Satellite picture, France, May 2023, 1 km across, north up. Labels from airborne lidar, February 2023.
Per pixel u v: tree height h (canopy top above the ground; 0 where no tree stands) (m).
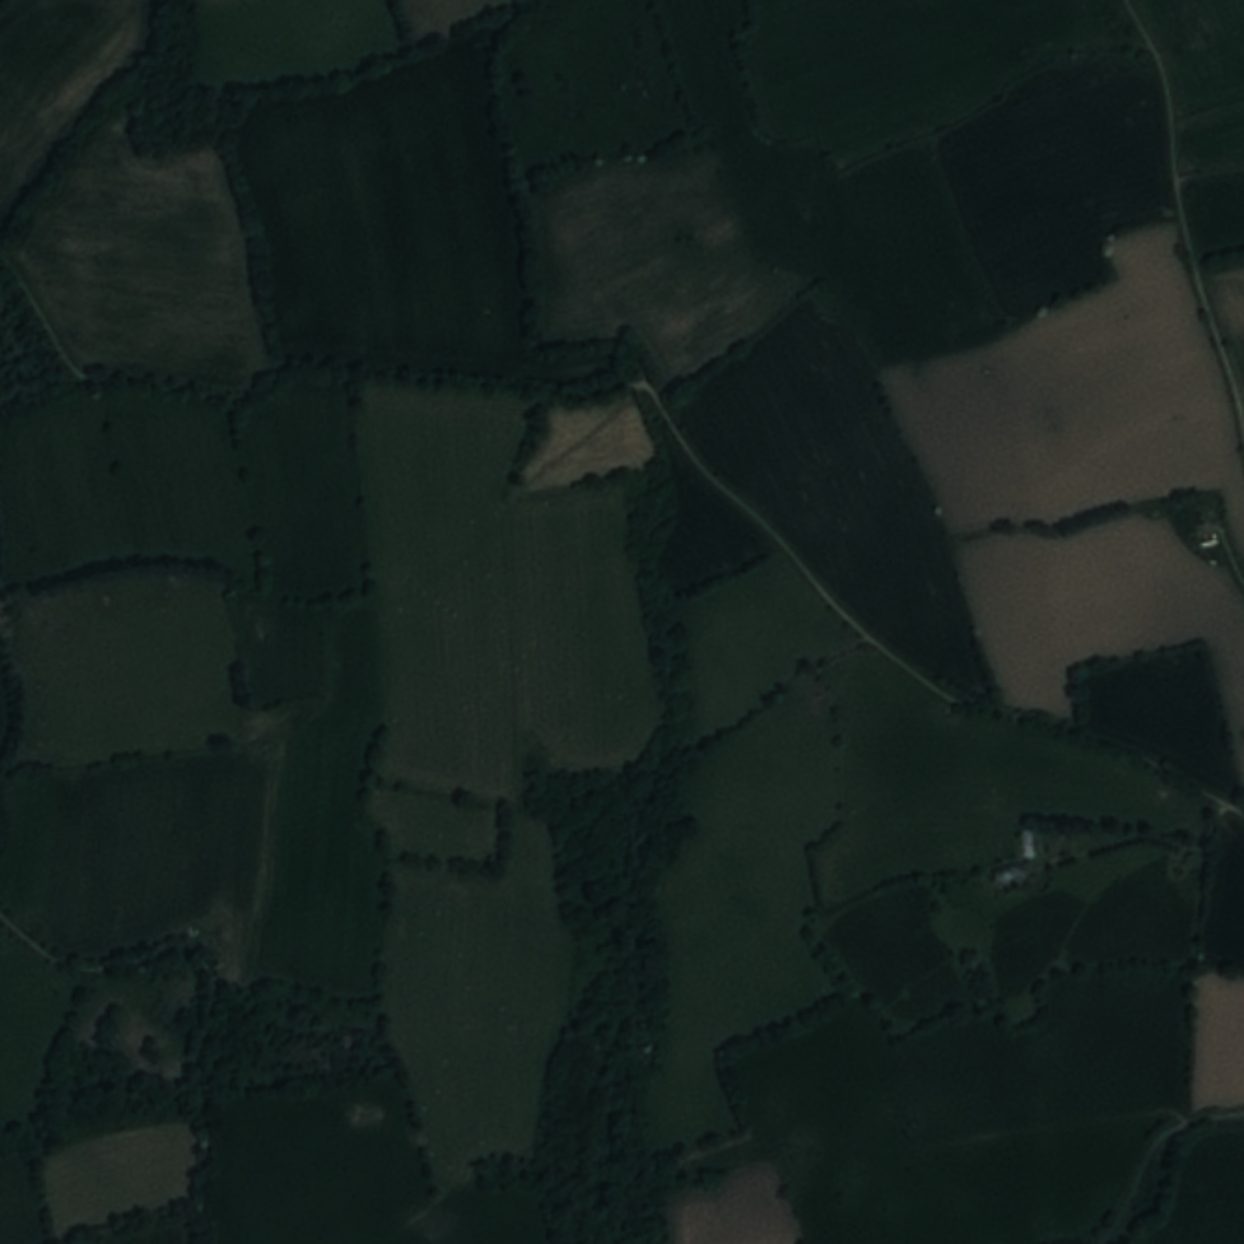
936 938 0
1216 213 0
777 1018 0
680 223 0
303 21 0
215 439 0
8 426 10
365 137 0
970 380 0
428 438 0
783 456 0
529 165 0
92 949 0
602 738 0
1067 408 0
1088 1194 0
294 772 0
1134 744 0
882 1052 0
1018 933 0
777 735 0
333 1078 6
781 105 0
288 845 0
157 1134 0
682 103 6
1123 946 0
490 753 0
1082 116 0
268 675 0
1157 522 0
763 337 0
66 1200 0
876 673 0
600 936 0
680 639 16
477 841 0
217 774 0
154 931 0
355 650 0
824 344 0
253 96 13
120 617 0
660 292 0
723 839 0
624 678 0
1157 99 0
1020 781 0
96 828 0
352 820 0
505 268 0
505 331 0
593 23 0
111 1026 13
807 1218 0
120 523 0
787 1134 0
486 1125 0
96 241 0
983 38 0
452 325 0
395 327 0
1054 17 0
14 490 0
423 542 0
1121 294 0
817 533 0
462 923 0
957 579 5
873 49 0
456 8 0
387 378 13
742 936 0
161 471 0
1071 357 0
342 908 0
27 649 0
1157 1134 7
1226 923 0
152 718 0
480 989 0
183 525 0
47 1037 0
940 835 0
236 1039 9
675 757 15
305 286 0
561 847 6
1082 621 0
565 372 0
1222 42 0
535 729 0
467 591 0
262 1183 0
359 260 0
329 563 0
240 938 0
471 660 0
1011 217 0
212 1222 7
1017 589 0
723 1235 0
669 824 9
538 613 0
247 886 0
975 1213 0
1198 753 0
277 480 0
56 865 0
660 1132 0
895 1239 0
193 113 24
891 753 0
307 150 0
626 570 0
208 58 0
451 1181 0
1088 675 10
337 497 0
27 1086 0
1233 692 0
